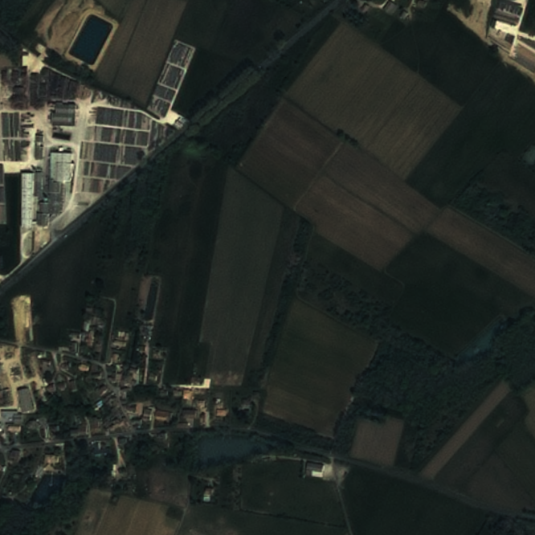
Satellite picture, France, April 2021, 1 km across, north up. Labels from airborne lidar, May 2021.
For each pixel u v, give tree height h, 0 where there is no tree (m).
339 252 0
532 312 15
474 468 0
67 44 0
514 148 0
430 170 0
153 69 0
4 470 0
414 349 14
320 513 0
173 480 0
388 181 0
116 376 0
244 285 0
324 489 0
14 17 16
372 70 0
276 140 0
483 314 0
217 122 11
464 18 0
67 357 0
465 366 16
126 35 0
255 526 0
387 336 15
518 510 0
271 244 0
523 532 14
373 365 6
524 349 9
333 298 0
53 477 0
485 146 0
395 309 0
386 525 0
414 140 0
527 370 12
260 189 0
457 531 0
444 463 0
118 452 0
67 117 0
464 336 0
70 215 0
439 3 19
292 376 0
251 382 8
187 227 0
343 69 0
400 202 0
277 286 0
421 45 0
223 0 0
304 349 0
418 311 0
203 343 0
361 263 0
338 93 0
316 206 0
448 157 0
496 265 0
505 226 6
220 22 0
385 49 0
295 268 7
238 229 0
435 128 0
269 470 0
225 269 0
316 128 0
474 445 0
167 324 0
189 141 14
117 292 0
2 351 0
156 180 16
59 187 0
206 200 0
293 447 24
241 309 0
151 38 0
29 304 0
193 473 22
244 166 0
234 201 0
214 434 12
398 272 0
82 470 23
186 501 0
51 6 0
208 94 0
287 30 0
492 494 0
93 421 0
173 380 0
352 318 9
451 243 0
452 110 0
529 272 0
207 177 0
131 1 0
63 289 0
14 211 0
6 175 0
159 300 0
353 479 0
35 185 0
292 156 0
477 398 8
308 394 0
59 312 0
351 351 0
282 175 0
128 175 0
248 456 0
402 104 0
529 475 0
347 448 18
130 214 10
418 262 0
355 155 0
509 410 0
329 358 0
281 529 0
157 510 0
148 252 6
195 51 0
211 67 0
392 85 0
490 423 0
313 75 0
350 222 0
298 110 0
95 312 6
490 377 8
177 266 0
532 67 0
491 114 0
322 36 0
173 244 0
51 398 14
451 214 0
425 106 0
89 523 0
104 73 0
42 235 0
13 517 26
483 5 0
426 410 14
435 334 0
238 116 9
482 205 8
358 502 0
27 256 0
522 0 0
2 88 0
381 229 0
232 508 0
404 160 0
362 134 0
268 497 0
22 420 0
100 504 0
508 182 0
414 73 0
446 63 0
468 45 0
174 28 0
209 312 0
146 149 0
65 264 0
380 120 0
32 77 0
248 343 0
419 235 0
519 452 0
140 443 7
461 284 0
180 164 0
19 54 18
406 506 0
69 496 16
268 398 0
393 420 0
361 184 0
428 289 0
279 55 18
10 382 0
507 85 0
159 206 13
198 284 0
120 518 0
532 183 0
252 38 0
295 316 0
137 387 6
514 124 0
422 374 22
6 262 0
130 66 0
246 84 27
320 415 0
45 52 0
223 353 0
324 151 0
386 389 21
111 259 11
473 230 0
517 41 0
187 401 0
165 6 0
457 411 10
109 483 13
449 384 17
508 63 0
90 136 0
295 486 0
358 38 0
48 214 0
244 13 0
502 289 0
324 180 0
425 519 0
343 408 0
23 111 0
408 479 0
